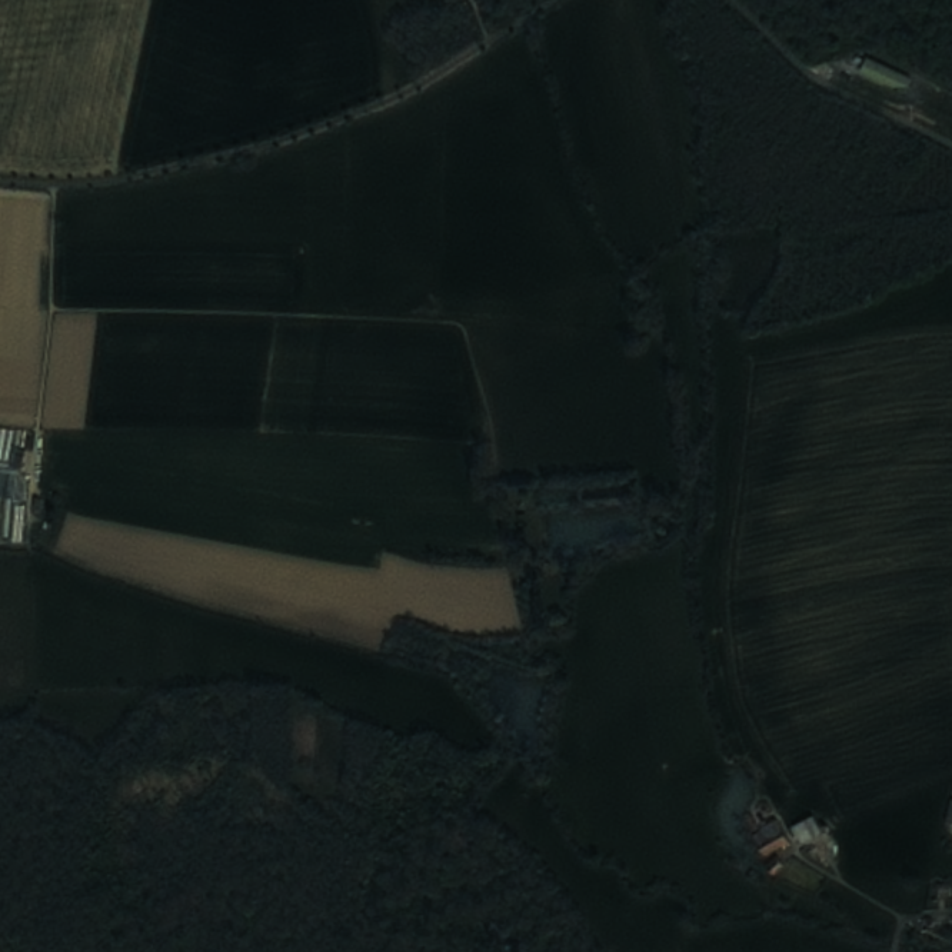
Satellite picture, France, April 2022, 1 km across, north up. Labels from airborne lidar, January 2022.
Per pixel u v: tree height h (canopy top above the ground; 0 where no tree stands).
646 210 0
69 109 0
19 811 28
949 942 16
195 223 0
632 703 0
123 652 0
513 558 23
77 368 0
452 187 0
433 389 0
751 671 0
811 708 0
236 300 0
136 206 0
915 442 0
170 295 0
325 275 0
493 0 6
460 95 0
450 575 0
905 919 0
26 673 0
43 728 20
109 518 0
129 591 0
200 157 8
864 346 0
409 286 0
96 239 0
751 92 14
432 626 11
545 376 0
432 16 23
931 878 0
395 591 0
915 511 0
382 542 0
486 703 7
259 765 25
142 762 23
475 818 22
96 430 0
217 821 21
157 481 0
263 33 0
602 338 0
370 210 0
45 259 0
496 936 31
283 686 19
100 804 24
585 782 0
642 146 0
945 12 22
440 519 0
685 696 0
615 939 0
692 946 0
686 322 0
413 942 22
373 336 0
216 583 0
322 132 0
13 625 0
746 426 0
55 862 25
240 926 25
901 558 0
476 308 0
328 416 0
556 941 23
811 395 0
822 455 0
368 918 24
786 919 13
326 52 0
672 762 0
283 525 0
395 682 0
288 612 0
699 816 0
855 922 0
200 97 0
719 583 0
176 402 0
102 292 0
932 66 21
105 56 0
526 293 0
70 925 28
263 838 22
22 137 0
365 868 25
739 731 0
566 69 0
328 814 20
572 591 14
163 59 0
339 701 0
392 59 0
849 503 0
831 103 13
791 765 0
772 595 0
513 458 0
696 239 17
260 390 0
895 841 0
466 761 19
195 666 0
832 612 0
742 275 0
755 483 0
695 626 15
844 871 0
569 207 0
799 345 0
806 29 25
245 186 0
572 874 0
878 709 0
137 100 0
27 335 0
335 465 0
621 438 0
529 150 0
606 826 0
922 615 0
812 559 0
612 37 0
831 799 0
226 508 0
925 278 9
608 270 0
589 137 0
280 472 0
